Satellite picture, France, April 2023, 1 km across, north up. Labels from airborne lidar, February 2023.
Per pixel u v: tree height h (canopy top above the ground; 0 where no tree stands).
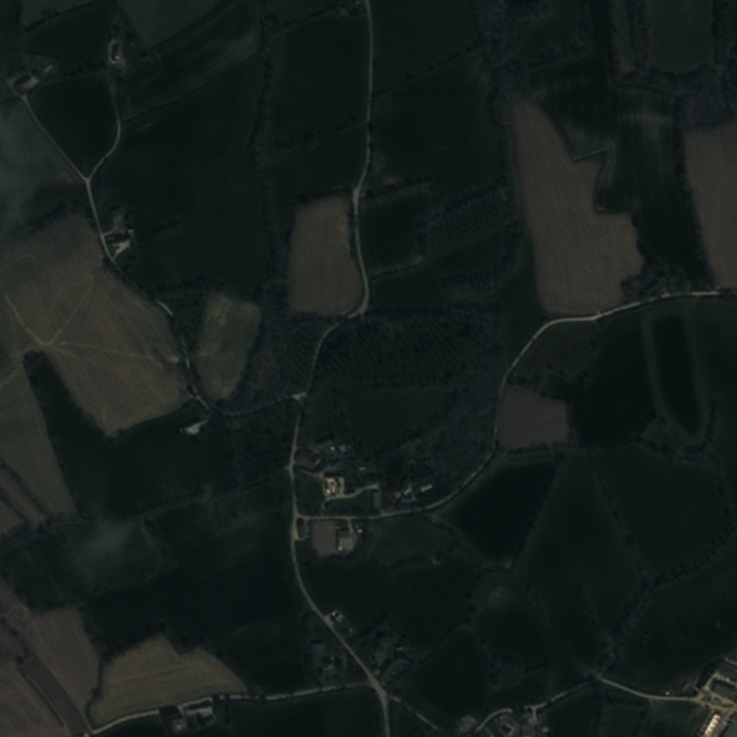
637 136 0
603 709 6
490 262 0
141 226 0
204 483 0
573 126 0
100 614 0
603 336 0
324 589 0
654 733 0
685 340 0
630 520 0
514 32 16
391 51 0
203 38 0
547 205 0
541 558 0
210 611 0
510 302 0
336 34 0
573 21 0
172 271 0
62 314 0
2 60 0
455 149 0
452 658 0
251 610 0
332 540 0
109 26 0
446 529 10
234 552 0
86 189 0
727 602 0
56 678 0
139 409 0
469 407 12
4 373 0
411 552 0
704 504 0
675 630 0
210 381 0
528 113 0
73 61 0
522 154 0
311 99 0
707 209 0
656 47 0
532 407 0
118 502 0
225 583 0
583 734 0
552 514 0
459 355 18
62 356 0
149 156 0
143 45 0
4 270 0
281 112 0
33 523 0
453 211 11
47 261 0
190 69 0
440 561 11
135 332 0
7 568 0
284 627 0
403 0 0
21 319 0
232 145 0
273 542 0
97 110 0
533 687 0
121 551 0
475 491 0
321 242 0
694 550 0
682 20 0
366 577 0
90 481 0
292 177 0
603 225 0
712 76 9
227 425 9
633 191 0
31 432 0
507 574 6
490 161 0
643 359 0
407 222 0
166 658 0
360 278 0
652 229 0
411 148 0
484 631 0
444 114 0
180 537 0
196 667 0
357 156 0
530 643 0
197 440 7
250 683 0
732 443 0
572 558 0
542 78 0
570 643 0
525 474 0
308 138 14
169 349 0
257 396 6
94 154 0
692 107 21
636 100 0
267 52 8
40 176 0
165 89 0
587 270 0
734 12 0
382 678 8
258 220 0
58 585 0
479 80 0
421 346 6
